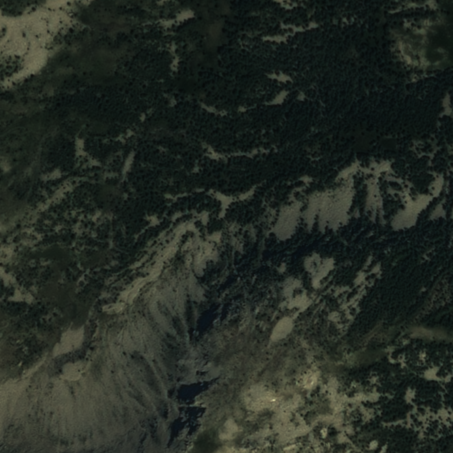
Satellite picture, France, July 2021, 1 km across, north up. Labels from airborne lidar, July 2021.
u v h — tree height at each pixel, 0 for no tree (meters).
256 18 8
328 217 0
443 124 18
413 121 16
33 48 0
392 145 0
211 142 7
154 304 0
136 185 7
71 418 0
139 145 8
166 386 0
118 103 10
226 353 0
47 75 0
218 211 10
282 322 0
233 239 0
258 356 0
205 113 12
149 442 0
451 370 14
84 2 0
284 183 9
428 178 15
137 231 7
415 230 15
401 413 12
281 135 12
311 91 15
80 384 0
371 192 0
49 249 0
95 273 12
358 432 9
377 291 7
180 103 14
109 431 0
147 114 14
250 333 0
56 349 0
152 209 5
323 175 13
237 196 8
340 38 14
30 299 0
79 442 0
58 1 0
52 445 0
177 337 0
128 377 0
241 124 7
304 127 11
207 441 0
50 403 0
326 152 12
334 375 0
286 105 18
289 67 16
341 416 0
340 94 16
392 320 6
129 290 0
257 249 9
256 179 8
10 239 0
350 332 8
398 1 8
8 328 0
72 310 0
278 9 17
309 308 7
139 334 0
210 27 0
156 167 13
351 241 14
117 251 7
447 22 0
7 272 7
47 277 6
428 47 0
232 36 14
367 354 0
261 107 13
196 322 0
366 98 18
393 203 14
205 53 10
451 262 13
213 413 0
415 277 10
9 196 0
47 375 0
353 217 9
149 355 0
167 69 8
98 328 0
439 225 17
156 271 0
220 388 0
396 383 9
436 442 8
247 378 0
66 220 10
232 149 13
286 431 0
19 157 0
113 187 0
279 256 12
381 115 15
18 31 0
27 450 0
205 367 0
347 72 12
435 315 11
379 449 9
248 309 0
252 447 0
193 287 0
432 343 11
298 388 0
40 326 10
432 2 0
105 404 0
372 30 20
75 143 9
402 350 11
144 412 0
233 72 11
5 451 0
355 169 0
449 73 21
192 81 0
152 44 6
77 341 0
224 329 0
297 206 0
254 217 9
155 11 0
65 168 13
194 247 0
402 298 11
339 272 8
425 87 13
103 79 0
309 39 17
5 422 0
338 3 7
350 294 11
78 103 6
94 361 0
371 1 17
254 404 0
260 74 15
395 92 16
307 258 0
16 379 0
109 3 0
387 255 11
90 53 0
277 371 0
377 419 8
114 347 0
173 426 0
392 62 14
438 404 16
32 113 0
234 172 9
